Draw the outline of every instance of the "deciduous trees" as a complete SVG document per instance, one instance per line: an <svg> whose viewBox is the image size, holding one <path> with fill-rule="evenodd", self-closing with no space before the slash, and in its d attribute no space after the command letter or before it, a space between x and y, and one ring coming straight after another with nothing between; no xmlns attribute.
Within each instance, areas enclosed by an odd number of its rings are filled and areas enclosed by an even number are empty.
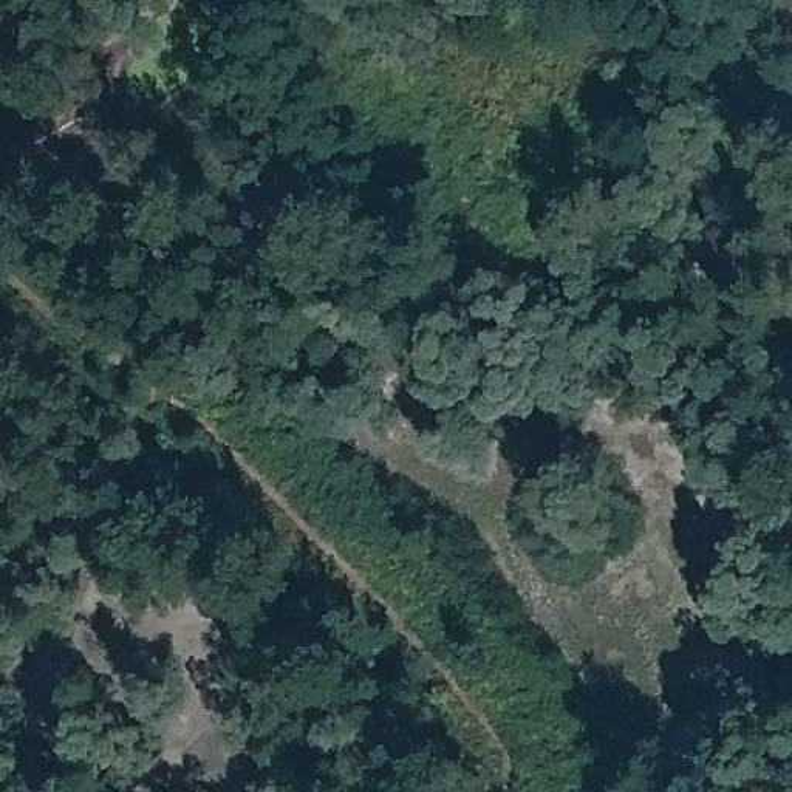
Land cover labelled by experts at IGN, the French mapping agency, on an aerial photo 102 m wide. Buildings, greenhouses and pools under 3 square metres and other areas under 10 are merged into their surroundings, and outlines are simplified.
<svg viewBox="0 0 792 792"><path fill-rule="evenodd" d="M155 764L164 764L164 718L173 718L183 708L186 693L179 674L189 671L189 659L152 659L145 678L121 674L124 690L118 690L114 696L108 693L105 681L96 674L90 662L77 668L74 678L62 681L53 690L53 702L59 708L56 758L62 761L65 777L25 777L15 767L15 743L0 743L0 792L127 792L136 777L145 777Z"/></svg>
<svg viewBox="0 0 792 792"><path fill-rule="evenodd" d="M588 121L579 108L582 74L594 68L600 50L637 53L640 96L628 118ZM693 489L693 495L708 495L708 501L718 507L718 532L727 538L715 545L718 560L705 579L712 616L702 616L702 631L715 644L743 640L746 653L792 650L792 365L780 368L767 359L764 334L773 319L792 319L792 136L780 133L777 121L767 118L761 124L724 124L718 118L715 80L708 74L721 65L746 59L758 68L758 77L767 87L792 93L792 0L248 0L220 19L210 37L210 53L201 62L201 74L189 77L189 71L179 68L183 90L189 90L192 99L176 118L183 121L179 130L189 130L195 136L195 158L204 170L201 192L192 198L176 195L179 176L173 170L167 173L164 192L155 183L149 183L139 201L124 204L124 229L111 232L108 266L96 263L90 269L77 269L68 263L74 241L96 223L96 195L74 192L68 179L56 183L50 173L34 173L31 161L19 161L19 179L0 192L0 551L15 551L31 535L37 520L46 523L56 517L90 517L102 507L108 510L108 523L96 529L93 548L84 557L77 554L71 535L53 538L50 545L37 545L28 554L28 560L46 560L46 566L37 569L37 585L15 588L19 597L12 600L12 606L0 600L0 705L22 699L12 671L19 668L22 653L34 647L40 634L46 634L56 613L77 597L80 572L90 569L99 591L121 594L127 606L124 619L142 619L145 609L167 616L167 609L192 600L198 613L213 628L220 628L223 678L213 681L213 690L241 693L232 715L213 715L213 730L220 733L220 739L235 739L235 752L254 758L257 767L272 764L272 758L291 743L322 749L312 780L278 773L278 780L260 780L248 792L498 792L501 783L492 764L473 761L467 755L455 755L455 761L446 761L430 755L424 746L399 758L387 752L362 724L365 718L402 718L415 702L430 702L427 681L436 678L439 659L430 653L430 644L446 634L452 644L467 644L470 628L464 613L476 603L489 616L520 616L517 625L504 628L504 634L520 634L520 647L541 656L560 653L557 640L538 622L532 622L529 603L498 572L489 545L483 541L470 517L458 514L449 501L433 498L415 480L387 470L381 458L350 442L356 433L365 433L365 427L390 427L399 418L399 411L393 408L393 396L381 390L384 374L396 371L393 340L387 337L384 325L405 322L405 306L399 300L418 300L430 294L436 282L455 272L455 241L449 241L446 235L464 229L476 229L492 248L498 248L507 257L541 260L548 263L548 269L532 275L529 269L520 285L510 285L495 272L476 272L467 285L461 285L458 319L442 312L421 316L427 322L427 337L415 347L411 356L418 381L408 390L408 396L436 411L436 430L421 436L415 455L424 464L433 464L436 470L455 473L458 480L492 483L495 470L486 467L486 452L492 442L489 427L501 418L526 418L532 411L548 411L557 418L560 427L582 430L594 402L609 399L616 418L665 421L671 442L684 455L681 486ZM569 127L575 133L572 183L582 192L563 201L548 201L541 229L529 229L526 210L532 179L517 170L520 136L526 133L526 127L535 127L538 133L548 133L548 127ZM415 220L408 223L408 229L384 232L374 229L368 220L350 220L350 213L359 204L359 195L365 192L362 183L371 173L374 149L393 142L421 145L427 176L393 189L393 201L408 201L415 207ZM746 170L752 176L746 195L755 198L761 210L761 223L755 229L733 232L727 244L730 269L736 272L736 282L727 288L718 288L699 269L699 263L693 263L684 254L684 241L699 241L702 232L696 213L690 213L690 189L696 179L718 173L715 142L724 145L736 170ZM303 201L291 195L282 201L278 217L269 226L266 244L257 248L257 257L238 278L213 278L210 269L217 257L223 254L223 248L238 244L241 232L232 226L207 226L207 217L223 213L220 192L238 192L241 186L257 183L263 167L275 155L282 155L303 176L306 195ZM210 238L207 248L195 248L176 266L161 269L161 278L142 275L142 260L161 260L164 248L183 232ZM50 300L53 316L46 322L31 312L19 291L9 288L9 275L15 275L19 269L28 278L28 285ZM303 384L285 384L285 371L297 368L297 350L306 350L312 365L325 365L331 356L343 359L347 384L325 387L309 377ZM353 588L353 603L347 609L322 613L306 597L297 597L285 588L285 554L266 535L266 529L229 538L223 529L210 526L210 517L201 510L201 498L179 495L176 476L167 486L155 486L155 492L145 495L130 495L118 489L121 470L130 464L130 458L139 455L136 427L142 421L155 427L161 449L186 455L204 452L213 458L229 446L235 458L244 455L251 464L269 473L269 480L288 495L300 517L337 545L337 551L365 575L365 591ZM387 603L399 606L405 625L421 637L418 647L408 647L402 653L405 671L399 681L371 681L374 656L393 647L399 637L384 609Z"/></svg>
<svg viewBox="0 0 792 792"><path fill-rule="evenodd" d="M644 746L628 761L628 770L616 777L619 792L792 792L792 702L780 705L780 712L773 715L767 705L755 702L755 690L749 684L736 684L733 705L721 712L718 721L708 721L699 733L668 736L656 746Z"/></svg>
<svg viewBox="0 0 792 792"><path fill-rule="evenodd" d="M644 532L644 498L628 483L625 461L606 449L591 455L591 449L585 449L572 458L563 455L557 464L538 467L538 476L526 480L523 486L517 514L507 517L514 541L535 563L541 582L569 588L569 594L588 594L600 588L597 572L603 572L603 566L613 557L628 554Z"/></svg>
<svg viewBox="0 0 792 792"><path fill-rule="evenodd" d="M0 0L0 19L19 9L28 12L28 22L22 22L19 28L19 59L12 68L0 68L0 105L19 111L19 118L28 121L53 121L62 102L68 99L65 87L80 80L99 80L93 56L96 50L108 50L114 43L127 46L130 74L149 74L158 65L158 56L167 50L167 31L183 0Z"/></svg>

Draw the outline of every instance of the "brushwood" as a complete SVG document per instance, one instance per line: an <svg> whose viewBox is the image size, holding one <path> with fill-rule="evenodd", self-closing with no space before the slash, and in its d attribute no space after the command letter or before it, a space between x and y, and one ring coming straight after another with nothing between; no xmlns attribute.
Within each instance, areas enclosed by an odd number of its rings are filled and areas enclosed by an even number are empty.
<svg viewBox="0 0 792 792"><path fill-rule="evenodd" d="M374 656L371 681L399 681L405 671L402 653L408 647L399 637L393 647Z"/></svg>
<svg viewBox="0 0 792 792"><path fill-rule="evenodd" d="M291 526L288 517L282 517L263 498L263 489L241 473L235 458L229 446L213 458L204 452L186 455L161 449L155 427L142 421L136 427L139 455L130 458L130 464L121 470L118 489L130 495L145 495L155 492L155 486L167 486L176 476L179 495L201 498L201 510L210 517L210 526L223 529L229 538L266 529L266 535L285 554L285 588L297 597L306 597L322 613L347 609L353 603L353 588L343 575L337 575L334 560L325 560L319 548L312 548L303 529Z"/></svg>
<svg viewBox="0 0 792 792"><path fill-rule="evenodd" d="M446 761L455 761L455 755L467 755L473 761L492 764L501 783L498 792L619 792L616 777L628 770L628 761L622 764L609 752L594 755L591 749L575 746L575 736L585 730L585 724L566 708L563 696L572 690L572 665L560 653L541 656L520 647L520 634L504 634L504 628L517 625L520 616L489 616L476 603L464 613L470 628L467 644L452 644L446 634L430 644L430 653L439 659L436 678L427 681L430 702L415 702L402 718L365 718L362 724L387 752L399 758L424 746L430 755Z"/></svg>

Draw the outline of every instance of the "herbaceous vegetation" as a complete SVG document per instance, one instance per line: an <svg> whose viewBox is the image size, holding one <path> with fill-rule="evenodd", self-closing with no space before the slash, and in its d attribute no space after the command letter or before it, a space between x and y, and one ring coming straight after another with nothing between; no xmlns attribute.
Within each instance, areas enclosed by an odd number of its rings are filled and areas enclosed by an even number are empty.
<svg viewBox="0 0 792 792"><path fill-rule="evenodd" d="M384 609L399 637L408 647L418 647L421 637L405 625L399 606L387 603Z"/></svg>
<svg viewBox="0 0 792 792"><path fill-rule="evenodd" d="M176 266L195 248L207 248L210 238L183 232L164 248L161 260L142 260L142 275L161 278L161 269Z"/></svg>
<svg viewBox="0 0 792 792"><path fill-rule="evenodd" d="M684 241L684 254L693 263L699 263L699 269L718 288L727 288L736 282L736 272L730 269L727 244L733 232L755 229L761 223L761 210L755 198L746 195L752 176L746 170L736 170L724 145L715 142L718 173L696 179L690 189L690 213L696 213L702 232L699 241Z"/></svg>
<svg viewBox="0 0 792 792"><path fill-rule="evenodd" d="M331 356L325 365L312 365L306 350L297 350L297 368L285 371L285 384L303 384L309 377L325 387L347 384L343 359Z"/></svg>
<svg viewBox="0 0 792 792"><path fill-rule="evenodd" d="M31 312L46 322L53 316L50 300L28 285L28 278L19 269L15 275L9 275L9 288L19 291Z"/></svg>
<svg viewBox="0 0 792 792"><path fill-rule="evenodd" d="M19 161L31 161L34 173L50 173L56 183L68 179L74 192L96 195L96 223L74 241L68 263L77 269L90 269L96 263L108 266L111 232L124 229L124 204L139 201L149 183L155 183L164 192L167 173L173 170L179 176L176 195L192 198L201 192L204 170L195 158L195 136L189 130L179 130L183 121L176 118L192 99L189 90L183 90L179 68L189 71L189 77L201 74L201 62L210 53L210 37L220 19L248 0L183 0L167 31L167 50L158 56L158 65L149 74L130 74L127 46L114 43L108 50L96 50L93 56L99 80L80 80L65 87L68 99L62 102L53 121L28 121L19 118L19 111L0 105L0 192L19 179Z"/></svg>
<svg viewBox="0 0 792 792"><path fill-rule="evenodd" d="M715 80L718 118L724 124L761 124L767 118L777 121L780 133L792 136L792 93L767 87L758 77L758 68L746 59L721 65L708 74Z"/></svg>
<svg viewBox="0 0 792 792"><path fill-rule="evenodd" d="M575 133L569 127L548 127L548 133L538 133L535 127L526 127L526 133L520 136L517 170L532 179L526 210L529 229L541 229L548 201L563 201L582 192L572 183Z"/></svg>
<svg viewBox="0 0 792 792"><path fill-rule="evenodd" d="M12 68L19 59L19 28L22 22L28 22L28 12L19 9L0 19L0 68Z"/></svg>
<svg viewBox="0 0 792 792"><path fill-rule="evenodd" d="M108 510L102 507L90 517L56 517L46 523L37 520L31 535L15 551L0 551L0 600L12 606L12 600L19 597L15 588L37 585L37 569L46 566L46 560L28 560L28 554L37 545L50 545L53 538L71 535L77 554L84 557L93 548L96 529L108 523Z"/></svg>
<svg viewBox="0 0 792 792"><path fill-rule="evenodd" d="M594 68L582 74L579 108L588 121L628 118L640 96L637 53L600 50Z"/></svg>
<svg viewBox="0 0 792 792"><path fill-rule="evenodd" d="M384 232L408 229L408 223L415 220L415 207L408 201L393 201L393 189L427 176L421 145L393 142L374 149L371 173L362 183L365 192L359 195L359 204L350 213L350 220L368 220L374 229Z"/></svg>
<svg viewBox="0 0 792 792"><path fill-rule="evenodd" d="M337 575L343 575L353 588L365 591L365 575L337 551L337 545L300 517L288 495L269 480L269 473L251 464L244 455L235 458L241 473L263 489L263 498L282 517L288 517L291 526L303 529L312 548L319 548L325 560L334 560Z"/></svg>
<svg viewBox="0 0 792 792"><path fill-rule="evenodd" d="M25 777L65 777L62 761L56 758L59 708L53 702L53 690L62 681L74 678L77 668L90 662L96 674L105 681L108 693L114 696L118 690L124 690L121 674L145 678L152 659L189 659L189 671L179 674L186 693L183 708L173 718L164 718L164 764L155 764L145 777L136 777L127 792L248 792L260 780L278 780L278 773L312 780L322 749L291 743L272 758L272 764L257 767L254 758L235 752L235 739L220 739L220 733L213 730L213 715L232 715L241 693L213 690L213 681L223 678L220 628L213 628L198 613L192 600L167 609L167 616L145 609L142 619L124 619L127 606L121 594L99 591L90 569L80 572L77 597L56 613L46 634L40 634L34 647L22 653L19 668L12 671L22 699L0 705L0 743L15 743L15 767Z"/></svg>
<svg viewBox="0 0 792 792"><path fill-rule="evenodd" d="M241 232L238 244L223 248L223 254L217 257L210 269L213 278L238 278L257 257L257 248L266 244L269 226L278 217L282 201L291 195L303 201L306 195L303 176L282 155L275 155L263 167L257 183L241 186L238 192L220 192L223 213L207 217L207 226L232 226Z"/></svg>
<svg viewBox="0 0 792 792"><path fill-rule="evenodd" d="M792 319L773 319L764 334L767 359L780 368L792 365Z"/></svg>
<svg viewBox="0 0 792 792"><path fill-rule="evenodd" d="M585 730L575 736L575 746L591 749L594 755L609 752L622 764L628 761L644 746L656 746L668 736L699 733L708 721L718 721L721 712L733 705L736 684L749 684L755 690L755 702L767 705L773 715L780 712L780 705L792 702L792 650L746 653L743 640L715 644L702 631L702 616L712 616L705 579L718 560L715 545L727 538L718 532L718 507L708 501L708 495L693 495L693 489L681 486L684 455L671 442L665 421L616 418L609 399L594 402L582 430L560 427L557 418L548 411L532 411L526 418L501 418L489 427L492 442L486 452L486 467L495 470L492 483L458 480L455 473L436 470L433 464L424 464L415 455L421 436L436 430L436 411L408 396L408 390L418 381L411 356L415 347L427 337L427 322L421 316L442 312L458 319L461 285L467 285L476 272L495 272L510 285L520 285L529 269L532 275L548 269L548 263L541 260L507 257L498 248L492 248L476 229L464 229L446 235L449 241L455 241L455 272L436 282L430 294L418 300L399 300L405 306L405 322L384 325L387 337L393 340L396 371L384 374L381 390L393 396L393 408L399 411L399 418L390 427L365 427L365 433L356 433L350 442L381 458L387 470L415 480L433 498L449 501L458 514L470 517L483 541L489 545L498 572L529 603L532 622L538 622L557 640L560 653L572 665L572 690L563 696L566 708L585 724ZM585 449L591 449L591 455L606 449L625 461L628 483L644 498L644 532L628 554L613 557L603 566L603 572L597 572L600 588L588 594L569 594L569 588L541 582L535 563L514 541L507 517L517 514L523 486L526 480L538 476L538 467L557 464L563 455L572 458Z"/></svg>

